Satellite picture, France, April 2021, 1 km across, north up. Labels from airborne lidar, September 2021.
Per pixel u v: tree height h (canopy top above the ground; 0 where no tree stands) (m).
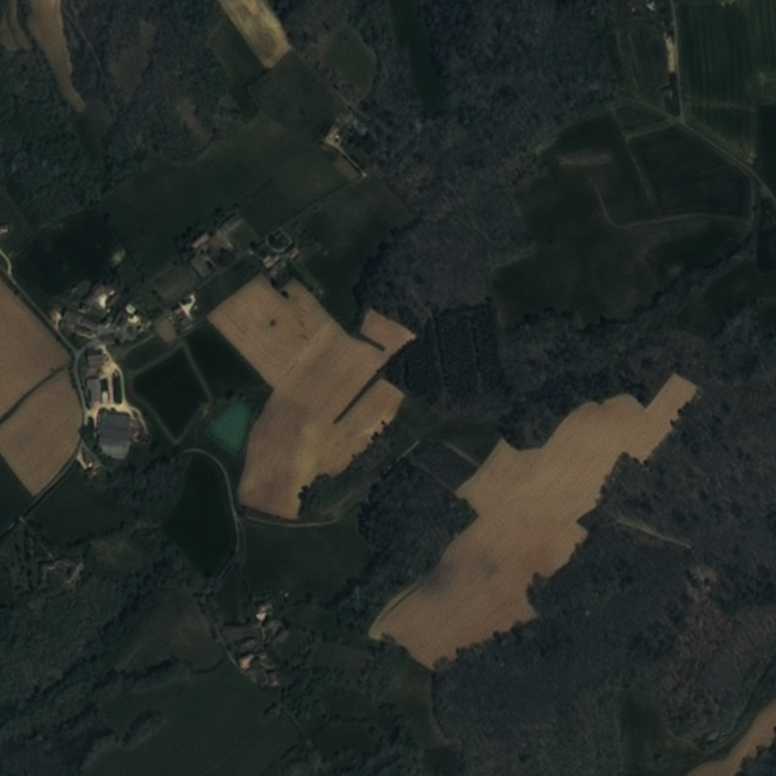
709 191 0
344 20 15
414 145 9
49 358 0
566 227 0
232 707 0
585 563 15
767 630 16
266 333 0
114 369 0
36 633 9
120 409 0
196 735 0
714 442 14
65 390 0
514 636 11
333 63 0
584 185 0
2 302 0
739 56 0
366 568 0
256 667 13
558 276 0
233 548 0
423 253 8
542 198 0
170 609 0
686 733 14
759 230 0
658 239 0
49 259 0
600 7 17
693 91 0
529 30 19
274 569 0
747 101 0
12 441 0
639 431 0
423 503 20
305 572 0
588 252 0
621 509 17
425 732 0
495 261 15
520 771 18
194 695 0
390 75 10
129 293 9
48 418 0
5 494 0
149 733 13
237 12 0
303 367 0
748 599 25
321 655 0
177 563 22
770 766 12
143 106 11
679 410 0
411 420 0
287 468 0
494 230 16
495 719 22
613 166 0
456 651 0
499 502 0
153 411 0
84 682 14
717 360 8
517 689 18
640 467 17
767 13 0
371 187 0
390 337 0
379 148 9
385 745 17
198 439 0
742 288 0
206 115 17
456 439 0
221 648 0
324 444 0
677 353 6
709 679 15
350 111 6
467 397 16
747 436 14
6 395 0
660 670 17
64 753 0
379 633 0
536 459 0
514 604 0
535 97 17
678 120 0
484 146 20
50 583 16
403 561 21
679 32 0
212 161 0
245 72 0
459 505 11
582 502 0
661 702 18
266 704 0
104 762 0
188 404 0
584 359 29
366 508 0
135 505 19
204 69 16
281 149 0
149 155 8
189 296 0
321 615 0
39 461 0
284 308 0
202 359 0
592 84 18
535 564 0
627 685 15
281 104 0
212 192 0
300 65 0
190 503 0
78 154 18
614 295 0
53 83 10
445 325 15
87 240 0
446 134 18
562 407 19
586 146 0
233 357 0
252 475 0
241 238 0
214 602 10
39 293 0
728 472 16
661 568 13
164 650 0
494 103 15
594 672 18
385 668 16
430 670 0
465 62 27
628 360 10
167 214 0
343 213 0
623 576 23
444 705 16
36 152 17
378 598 15
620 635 19
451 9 24
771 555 21
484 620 0
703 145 0
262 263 9
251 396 0
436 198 15
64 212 21
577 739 20
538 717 18
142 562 0
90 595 19
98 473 0
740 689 15
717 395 15
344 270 0
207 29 20
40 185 23
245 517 13
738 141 0
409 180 19
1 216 0
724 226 0
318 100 0
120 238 6
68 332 10
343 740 0
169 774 0
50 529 0
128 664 0
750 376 16
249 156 0
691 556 15
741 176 0
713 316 0
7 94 12
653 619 17
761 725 0
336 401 0
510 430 20
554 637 20
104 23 12
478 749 21
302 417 0
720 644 9
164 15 14
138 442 0
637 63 0
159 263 0
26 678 15
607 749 21
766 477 15
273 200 0
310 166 0
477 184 22
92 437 18
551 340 12
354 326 9
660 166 0
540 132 18
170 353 0
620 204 0
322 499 16
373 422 0
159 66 12
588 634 19
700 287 16
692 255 0
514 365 9
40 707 16
